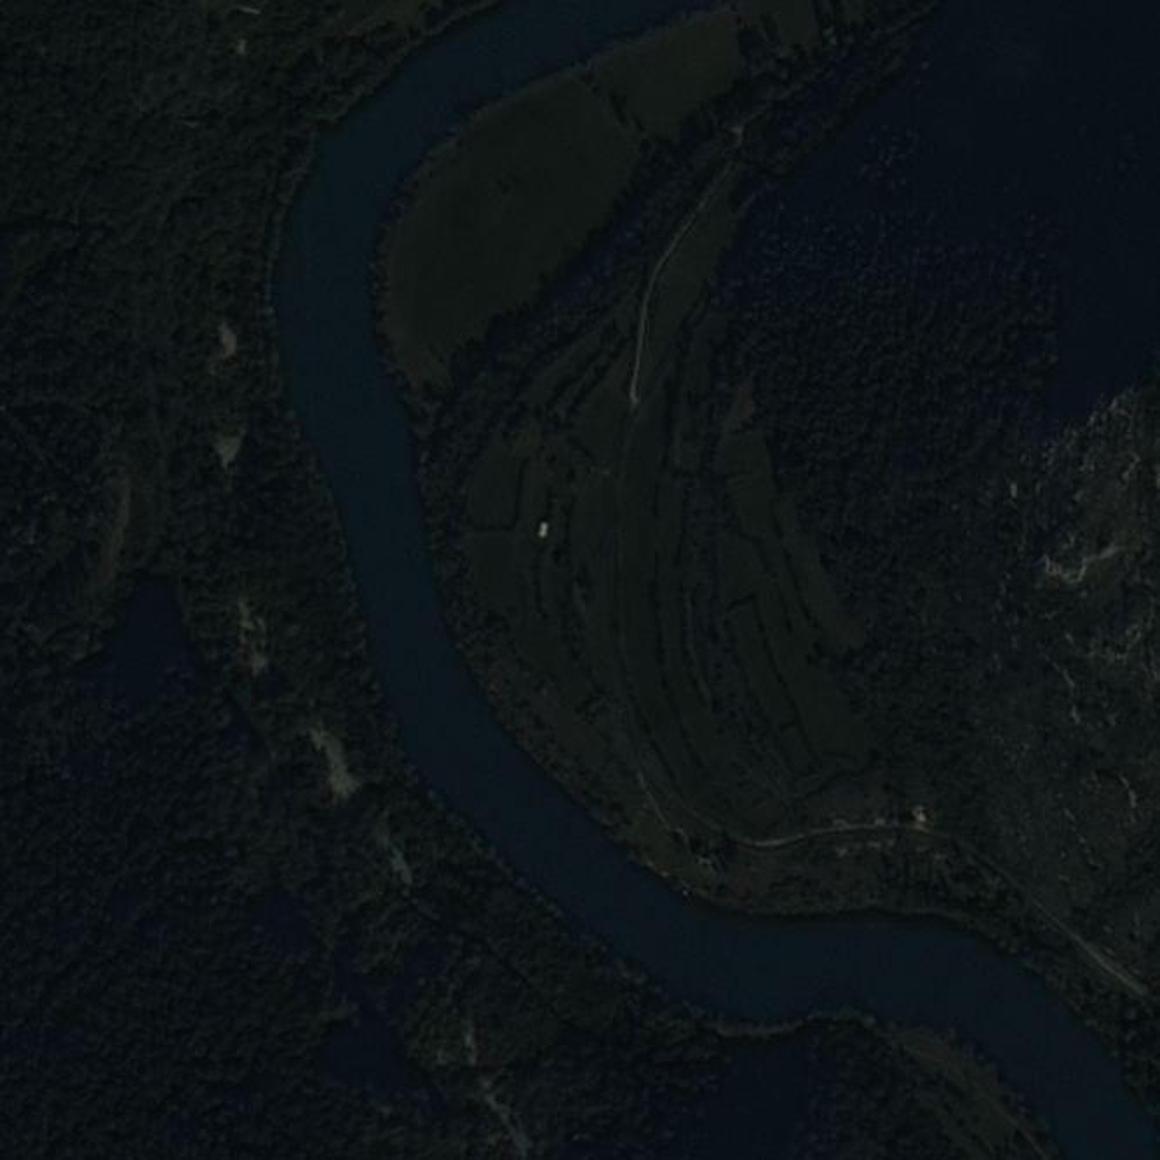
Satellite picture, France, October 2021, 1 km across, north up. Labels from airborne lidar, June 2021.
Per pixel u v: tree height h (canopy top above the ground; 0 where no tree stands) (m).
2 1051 15
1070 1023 0
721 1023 11
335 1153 7
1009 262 19
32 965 12
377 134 0
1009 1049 0
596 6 0
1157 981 6
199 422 11
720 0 11
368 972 10
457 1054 7
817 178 7
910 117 6
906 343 11
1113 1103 0
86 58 9
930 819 14
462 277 0
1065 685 7
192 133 21
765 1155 18
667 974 0
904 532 10
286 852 13
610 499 0
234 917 7
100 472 14
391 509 0
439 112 0
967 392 8
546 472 0
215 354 13
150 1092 15
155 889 8
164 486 8
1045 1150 11
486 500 0
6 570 13
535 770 0
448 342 0
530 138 0
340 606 20
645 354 0
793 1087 19
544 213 0
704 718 0
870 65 19
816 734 0
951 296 15
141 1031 12
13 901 14
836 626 0
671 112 0
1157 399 8
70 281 20
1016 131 12
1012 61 0
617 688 0
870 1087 10
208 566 14
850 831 0
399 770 8
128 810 9
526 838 0
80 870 6
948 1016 0
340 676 19
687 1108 23
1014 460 7
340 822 7
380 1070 19
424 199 0
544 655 0
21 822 15
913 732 8
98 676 24
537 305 0
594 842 0
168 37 7
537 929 11
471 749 0
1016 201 15
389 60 14
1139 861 9
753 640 0
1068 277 17
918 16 9
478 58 0
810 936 0
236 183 20
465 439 11
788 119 5
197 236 17
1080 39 12
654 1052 21
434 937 9
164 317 11
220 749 10
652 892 0
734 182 0
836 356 20
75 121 23
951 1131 0
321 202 0
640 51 0
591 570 0
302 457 16
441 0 0
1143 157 8
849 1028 6
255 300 17
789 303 15
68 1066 20
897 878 10
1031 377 17
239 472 7
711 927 0
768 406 11
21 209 13
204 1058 7
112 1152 14
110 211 17
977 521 9
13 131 21
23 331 19
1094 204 15
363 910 8
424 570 0
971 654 13
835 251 20
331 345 0
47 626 13
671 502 0
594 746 0
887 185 18
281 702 12
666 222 12
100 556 8
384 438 0
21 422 16
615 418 0
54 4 13
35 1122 13
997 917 19
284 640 9
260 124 19
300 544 20
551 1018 8
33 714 16
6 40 5
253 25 21
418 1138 15
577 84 0
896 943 0
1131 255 7
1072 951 12
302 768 16
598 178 0
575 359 0
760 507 0
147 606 14
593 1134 15
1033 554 6
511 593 0
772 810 0
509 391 7
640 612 0
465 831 6
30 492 14
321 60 5
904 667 6
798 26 0
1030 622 8
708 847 7
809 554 0
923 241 15
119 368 19
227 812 8
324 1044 7
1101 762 9
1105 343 7
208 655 19
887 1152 9
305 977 15
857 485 10
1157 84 19
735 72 0
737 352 10
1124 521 0
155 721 15
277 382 16
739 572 0
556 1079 14
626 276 15
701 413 8
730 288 12
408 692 0
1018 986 0
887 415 6
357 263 0
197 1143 19
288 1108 18
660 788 0
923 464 10
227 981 11
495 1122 10
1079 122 17
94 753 8
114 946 12
